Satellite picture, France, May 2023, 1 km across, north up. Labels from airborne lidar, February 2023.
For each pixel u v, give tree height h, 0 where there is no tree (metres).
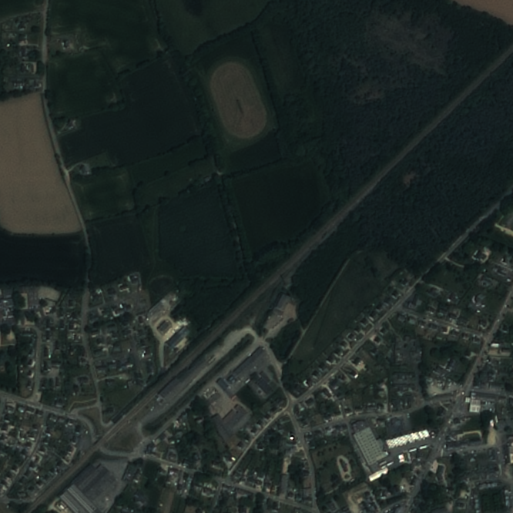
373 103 11
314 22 11
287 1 11
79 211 0
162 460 0
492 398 0
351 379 0
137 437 0
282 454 7
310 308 11
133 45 0
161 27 15
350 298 0
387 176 6
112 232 0
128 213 8
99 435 0
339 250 11
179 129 0
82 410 0
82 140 0
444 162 16
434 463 0
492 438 0
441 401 0
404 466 10
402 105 13
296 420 0
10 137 0
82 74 0
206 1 0
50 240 0
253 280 17
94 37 0
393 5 11
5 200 0
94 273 14
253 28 13
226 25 0
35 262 0
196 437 18
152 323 0
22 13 0
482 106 20
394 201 15
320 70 12
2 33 0
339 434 0
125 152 0
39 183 0
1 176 0
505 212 12
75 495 0
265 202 0
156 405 0
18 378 5
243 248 14
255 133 0
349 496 0
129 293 0
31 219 0
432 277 9
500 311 0
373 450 0
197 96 10
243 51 0
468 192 15
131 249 0
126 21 0
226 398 0
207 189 7
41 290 0
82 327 0
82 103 0
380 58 7
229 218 13
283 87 0
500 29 13
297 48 11
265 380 0
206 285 8
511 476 0
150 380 9
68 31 0
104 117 0
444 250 11
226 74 0
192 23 0
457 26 12
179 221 10
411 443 0
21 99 0
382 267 0
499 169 16
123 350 0
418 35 0
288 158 11
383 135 7
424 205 21
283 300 0
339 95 11
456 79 18
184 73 20
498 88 22
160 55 16
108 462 0
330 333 0
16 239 0
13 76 0
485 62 14
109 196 0
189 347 11
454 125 17
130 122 0
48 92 12
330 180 10
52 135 0
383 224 16
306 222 0
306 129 12
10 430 0
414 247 22
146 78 0
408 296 0
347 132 16
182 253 9
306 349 0
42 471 0
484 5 0
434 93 16
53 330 9
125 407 0
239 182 0
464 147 26
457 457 14
